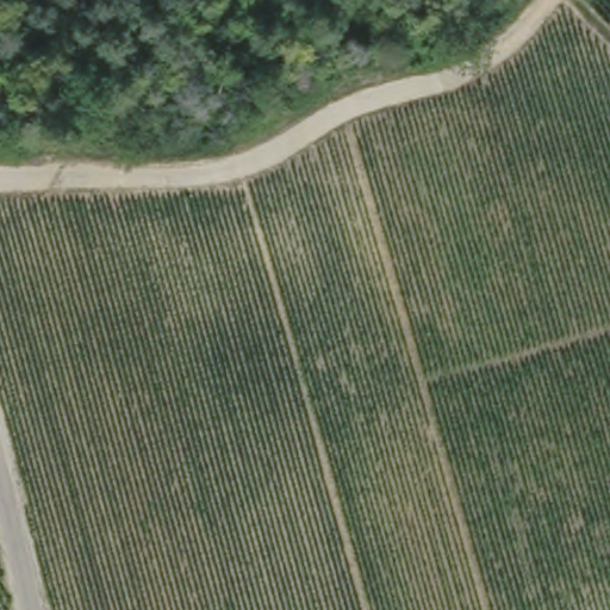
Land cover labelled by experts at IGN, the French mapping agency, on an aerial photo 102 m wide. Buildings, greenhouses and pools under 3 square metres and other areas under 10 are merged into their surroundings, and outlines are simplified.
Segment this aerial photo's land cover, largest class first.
<instances>
[{"label":"vineyard","instance_id":"1","mask_svg":"<svg viewBox=\"0 0 610 610\"><path fill-rule=\"evenodd\" d=\"M534 0H496V10L510 24ZM0 407L5 415L17 472L26 496V524L33 539L43 591L50 610H610V57L605 48L598 45V41L591 38L589 31H581L572 14L565 12V5H560L553 12V17L541 24L536 36L529 38L519 52L508 57L498 67V71L488 76V86L472 81L455 91L353 117L319 136L315 143H307L303 150L293 153L288 160H284L269 172L224 181L217 183L212 191L183 188L164 195L141 193L107 198V193L98 188H69L67 195L48 198H43L41 191L0 193ZM0 610H12V593L5 586V569L0 562Z\"/></svg>","mask_w":610,"mask_h":610},{"label":"coniferous trees","instance_id":"2","mask_svg":"<svg viewBox=\"0 0 610 610\"><path fill-rule=\"evenodd\" d=\"M510 24L496 10V0H0V164L19 167L45 162H110L124 169H133L150 162L226 157L267 143L269 138L284 133L293 124L310 117L312 112L357 91L384 86L388 81L407 76L450 69L465 60L479 57L481 48L493 43L496 36L503 33Z\"/></svg>","mask_w":610,"mask_h":610},{"label":"impervious surface","instance_id":"3","mask_svg":"<svg viewBox=\"0 0 610 610\"><path fill-rule=\"evenodd\" d=\"M562 0H534L510 24L503 33L496 36L493 43L481 48L479 57L465 60L450 69L407 76L388 81L384 86L357 91L312 112L310 117L293 124L284 133L269 138L267 143L226 157L150 162L133 169H124L110 162H45L19 167L0 164V193L41 191L43 198H48L67 195L69 188H98L107 193V198L141 193L164 195L183 188L212 191L217 183L224 181L269 172L284 160H288L293 153L303 150L307 143H315L319 136L353 117L455 91L472 81L488 86V76L498 71V67L508 57L519 52L529 38L536 36L541 24L553 17V12L560 5ZM26 496L17 472L5 415L0 407V562L5 569V586L12 593V610H50L43 591L33 539L26 524Z\"/></svg>","mask_w":610,"mask_h":610},{"label":"herbaceous vegetation","instance_id":"4","mask_svg":"<svg viewBox=\"0 0 610 610\"><path fill-rule=\"evenodd\" d=\"M560 5H565V12L572 14L581 31H589L591 38L598 41V45L605 48L610 57V0H562Z\"/></svg>","mask_w":610,"mask_h":610}]
</instances>
